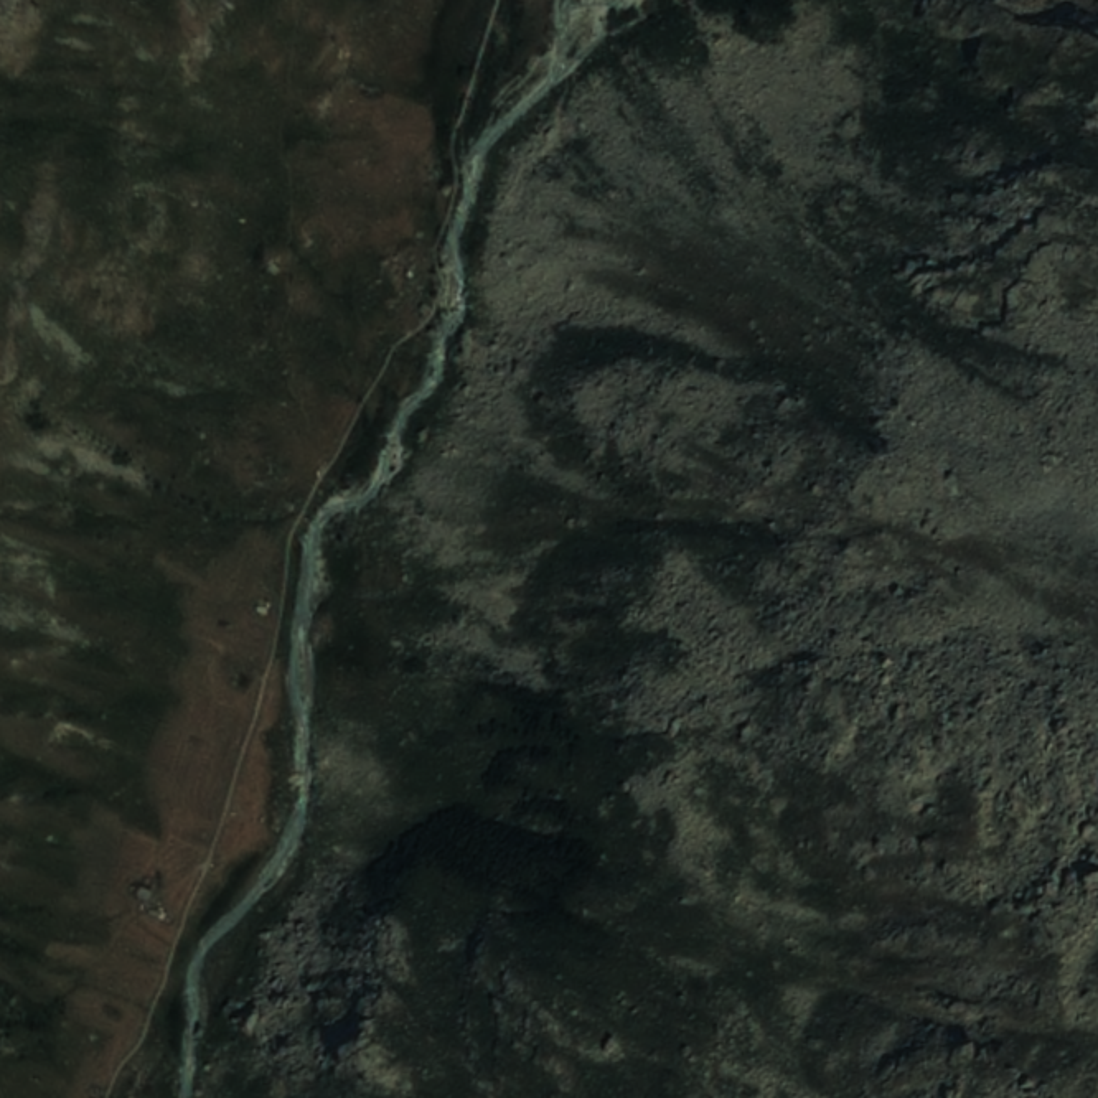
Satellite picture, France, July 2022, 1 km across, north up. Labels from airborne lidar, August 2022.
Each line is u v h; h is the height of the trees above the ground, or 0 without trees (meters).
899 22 0
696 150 0
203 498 0
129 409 0
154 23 0
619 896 0
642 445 0
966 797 0
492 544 0
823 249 0
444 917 0
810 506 0
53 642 0
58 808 0
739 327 0
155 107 0
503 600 0
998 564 0
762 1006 0
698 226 0
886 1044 0
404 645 0
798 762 0
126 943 0
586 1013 0
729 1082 0
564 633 0
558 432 0
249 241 0
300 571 0
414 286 0
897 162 0
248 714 0
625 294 0
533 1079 0
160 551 0
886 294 0
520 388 0
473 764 0
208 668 0
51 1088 0
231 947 0
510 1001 0
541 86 0
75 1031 0
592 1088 0
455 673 0
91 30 0
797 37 0
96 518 0
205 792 0
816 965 0
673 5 0
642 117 0
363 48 0
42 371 0
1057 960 0
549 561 0
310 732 0
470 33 0
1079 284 0
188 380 0
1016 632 0
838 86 0
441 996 0
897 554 0
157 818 0
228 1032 0
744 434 0
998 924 0
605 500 0
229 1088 0
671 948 0
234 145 0
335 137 0
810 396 0
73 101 0
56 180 0
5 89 0
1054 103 0
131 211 0
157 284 0
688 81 0
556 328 0
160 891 0
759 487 0
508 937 0
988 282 0
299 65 0
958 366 0
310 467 0
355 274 0
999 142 0
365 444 0
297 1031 0
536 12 0
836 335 0
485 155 0
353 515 0
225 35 0
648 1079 0
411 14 0
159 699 0
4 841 0
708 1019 0
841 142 0
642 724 0
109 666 0
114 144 0
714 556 0
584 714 0
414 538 0
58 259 0
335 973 0
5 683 0
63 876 0
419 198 0
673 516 0
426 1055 0
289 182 0
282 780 0
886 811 0
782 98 0
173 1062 0
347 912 0
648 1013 0
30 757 0
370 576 0
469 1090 0
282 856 0
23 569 0
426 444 0
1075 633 0
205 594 0
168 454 0
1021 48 0
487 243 0
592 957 0
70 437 0
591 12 0
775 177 0
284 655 0
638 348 0
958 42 0
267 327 0
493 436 0
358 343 0
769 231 0
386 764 0
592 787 0
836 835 0
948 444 0
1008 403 0
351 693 0
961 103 0
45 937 0
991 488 0
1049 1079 0
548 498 0
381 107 0
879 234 0
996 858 0
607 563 0
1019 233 8
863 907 0
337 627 0
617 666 0
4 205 0
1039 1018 0
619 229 0
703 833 0
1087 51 0
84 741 0
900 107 0
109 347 0
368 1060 0
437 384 0
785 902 0
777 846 0
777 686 0
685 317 0
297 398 0
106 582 0
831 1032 0
